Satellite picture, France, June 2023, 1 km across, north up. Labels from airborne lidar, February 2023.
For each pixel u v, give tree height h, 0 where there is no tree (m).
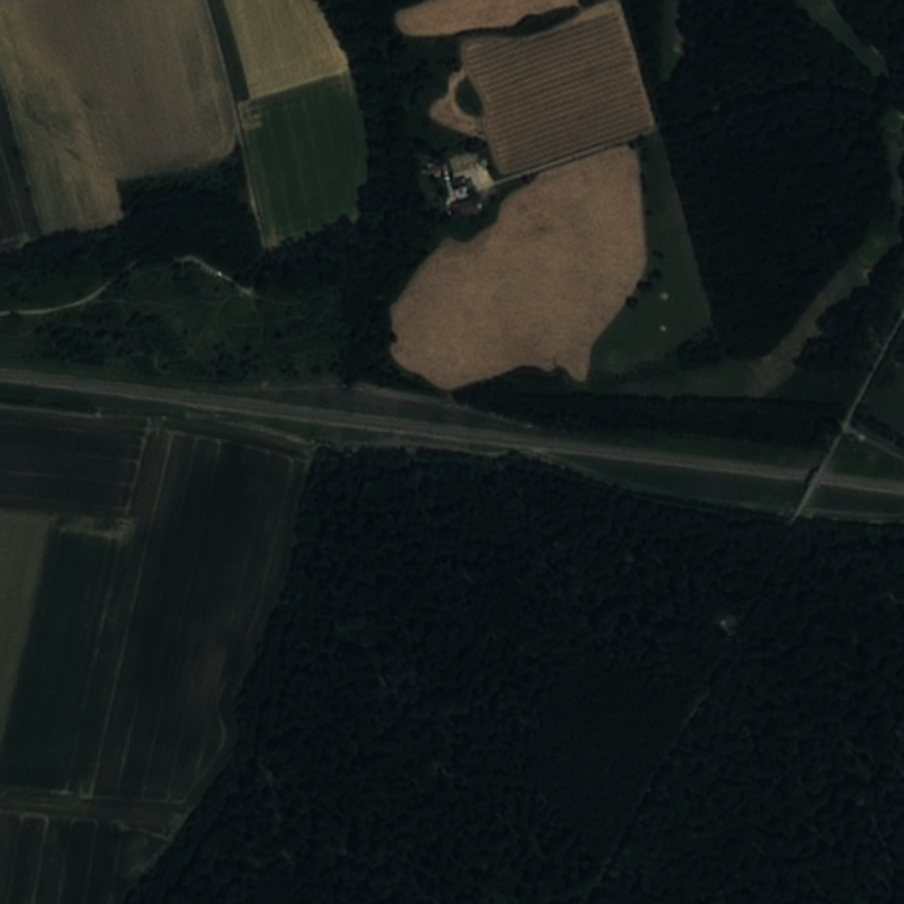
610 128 0
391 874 24
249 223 8
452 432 0
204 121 0
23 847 0
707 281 12
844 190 22
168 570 0
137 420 0
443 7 0
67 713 0
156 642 0
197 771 0
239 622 0
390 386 16
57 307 0
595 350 0
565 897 15
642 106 0
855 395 0
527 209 0
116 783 0
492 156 0
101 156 0
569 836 19
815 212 21
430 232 11
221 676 0
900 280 20
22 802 0
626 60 0
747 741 20
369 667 25
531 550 24
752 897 22
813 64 23
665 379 0
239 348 0
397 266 17
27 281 0
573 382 0
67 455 0
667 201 0
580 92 0
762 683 18
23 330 0
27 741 0
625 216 0
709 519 15
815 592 21
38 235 0
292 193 0
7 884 0
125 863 0
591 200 0
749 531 17
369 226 18
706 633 23
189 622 0
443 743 21
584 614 13
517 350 0
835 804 24
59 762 0
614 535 18
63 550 0
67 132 0
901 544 15
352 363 11
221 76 0
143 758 0
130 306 0
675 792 20
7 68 0
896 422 0
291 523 0
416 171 17
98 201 0
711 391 0
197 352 0
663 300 0
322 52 0
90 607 0
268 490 0
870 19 23
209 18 0
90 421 0
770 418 12
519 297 0
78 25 0
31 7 0
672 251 0
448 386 0
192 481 0
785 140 24
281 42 0
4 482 0
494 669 23
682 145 19
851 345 22
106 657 0
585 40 0
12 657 0
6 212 0
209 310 0
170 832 0
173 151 0
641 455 0
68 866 0
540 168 0
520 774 18
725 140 24
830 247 21
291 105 0
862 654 23
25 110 0
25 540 0
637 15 14
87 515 0
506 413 13
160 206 16
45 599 0
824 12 0
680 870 23
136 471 0
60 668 0
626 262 0
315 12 0
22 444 0
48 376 0
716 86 22
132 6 0
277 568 0
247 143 0
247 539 0
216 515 0
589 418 12
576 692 10
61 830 0
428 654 24
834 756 24
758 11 24
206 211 12
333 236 24
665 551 19
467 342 0
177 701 0
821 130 26
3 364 0
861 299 20
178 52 0
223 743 0
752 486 0
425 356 0
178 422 0
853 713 23
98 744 0
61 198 0
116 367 0
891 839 24
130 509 0
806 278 21
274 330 0
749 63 24
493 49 0
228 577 0
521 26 5
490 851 24
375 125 17
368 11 23
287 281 20
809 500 0
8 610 0
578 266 0
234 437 0
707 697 17
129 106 0
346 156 0
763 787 20
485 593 22
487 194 0
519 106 0
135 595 0
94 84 0
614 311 0
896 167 0
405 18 0
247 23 0
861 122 25
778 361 0
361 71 16
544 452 0
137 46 0
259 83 0
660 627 24
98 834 0
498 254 0
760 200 24
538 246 0
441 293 0
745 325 24
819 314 0
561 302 0
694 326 0
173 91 0
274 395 7
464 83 0
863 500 0
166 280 0
